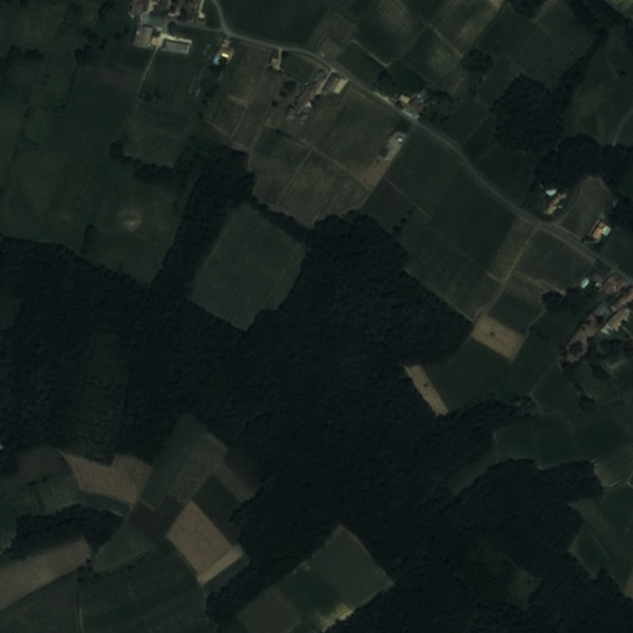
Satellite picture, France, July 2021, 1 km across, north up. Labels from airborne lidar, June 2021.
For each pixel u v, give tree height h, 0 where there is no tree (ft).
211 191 38
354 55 0
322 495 82
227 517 0
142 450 73
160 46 0
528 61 0
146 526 0
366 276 68
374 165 0
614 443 0
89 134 0
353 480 75
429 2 0
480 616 35
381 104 0
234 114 0
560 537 55
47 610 0
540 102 81
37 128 0
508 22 0
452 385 0
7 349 50
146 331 93
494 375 0
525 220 0
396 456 73
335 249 45
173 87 0
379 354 63
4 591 0
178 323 58
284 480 75
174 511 0
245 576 62
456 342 45
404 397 77
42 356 68
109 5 25
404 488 85
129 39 0
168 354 80
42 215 0
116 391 31
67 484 0
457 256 0
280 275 0
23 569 0
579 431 0
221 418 52
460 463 36
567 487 63
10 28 0
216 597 68
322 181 0
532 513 55
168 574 0
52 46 0
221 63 25
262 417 57
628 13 0
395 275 33
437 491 30
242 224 0
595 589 52
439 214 0
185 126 0
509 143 63
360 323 51
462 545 22
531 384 0
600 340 0
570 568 62
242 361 61
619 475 0
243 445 20
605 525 0
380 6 0
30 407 81
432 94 19
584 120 0
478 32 0
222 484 0
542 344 0
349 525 45
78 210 0
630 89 0
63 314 74
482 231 0
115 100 0
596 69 0
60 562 0
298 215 0
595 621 75
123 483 0
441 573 74
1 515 0
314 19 0
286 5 0
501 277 0
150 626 0
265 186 0
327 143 0
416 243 0
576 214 0
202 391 61
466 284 0
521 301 0
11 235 0
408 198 0
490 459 0
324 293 74
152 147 0
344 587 0
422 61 0
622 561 0
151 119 0
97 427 19
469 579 29
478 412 62
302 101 0
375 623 66
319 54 0
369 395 82
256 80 0
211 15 0
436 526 80
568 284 0
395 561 77
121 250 0
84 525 59
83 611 0
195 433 0
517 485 68
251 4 0
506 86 0
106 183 0
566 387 0
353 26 0
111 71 0
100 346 28
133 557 0
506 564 37
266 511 70
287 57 42
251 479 0
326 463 85
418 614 86
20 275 71
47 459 0
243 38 0
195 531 0
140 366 52
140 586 0
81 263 64
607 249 0
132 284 57
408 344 77
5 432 58
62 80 0
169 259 56
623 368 0
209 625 0
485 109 0
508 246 0
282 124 0
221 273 0
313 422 70
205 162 30
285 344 72
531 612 25
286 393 66
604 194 0
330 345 66
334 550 0
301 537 68
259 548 53
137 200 0
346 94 0
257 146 0
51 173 0
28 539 71
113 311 83
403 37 0
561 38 0
